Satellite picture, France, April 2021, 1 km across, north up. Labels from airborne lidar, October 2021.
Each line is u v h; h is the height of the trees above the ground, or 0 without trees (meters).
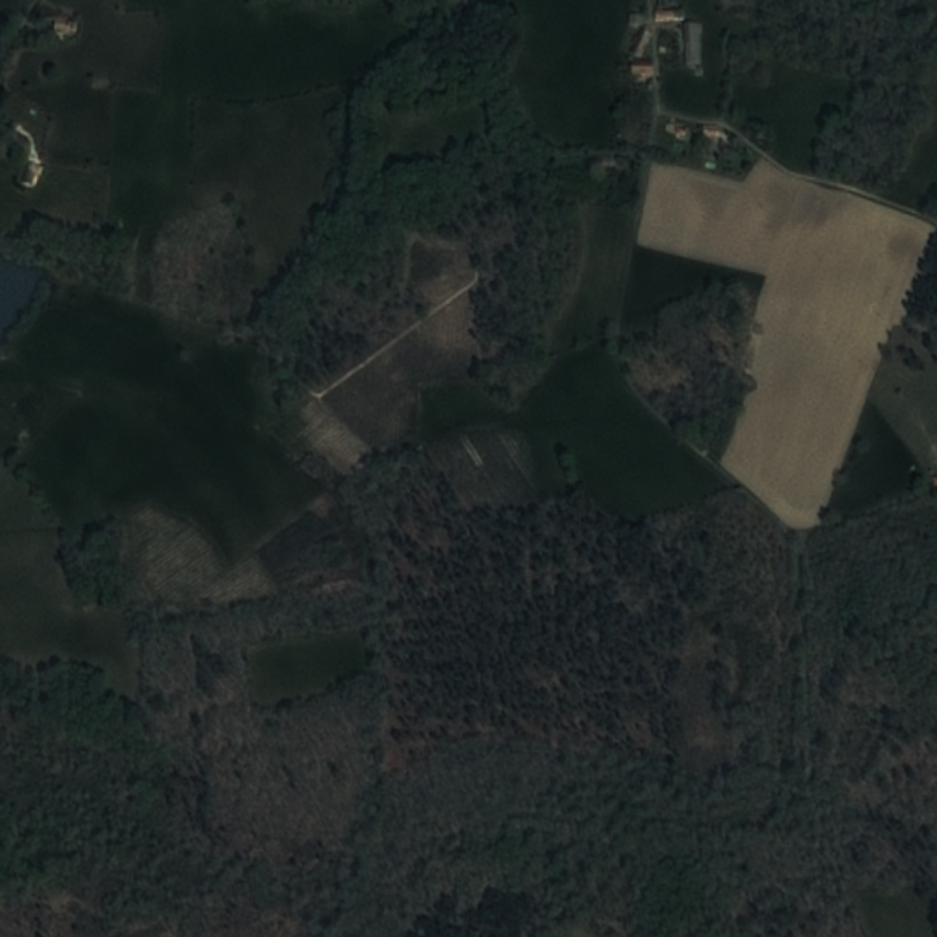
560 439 0
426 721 20
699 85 0
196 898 8
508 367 21
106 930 7
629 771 17
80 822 10
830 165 14
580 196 8
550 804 17
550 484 0
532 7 0
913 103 18
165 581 0
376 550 19
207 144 0
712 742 0
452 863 20
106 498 0
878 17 18
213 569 0
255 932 8
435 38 28
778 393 0
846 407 0
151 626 18
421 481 15
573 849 13
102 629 0
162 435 0
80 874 6
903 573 6
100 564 15
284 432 0
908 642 17
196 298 0
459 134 0
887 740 17
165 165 0
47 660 0
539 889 10
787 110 0
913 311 15
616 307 0
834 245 0
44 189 0
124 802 5
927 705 24
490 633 17
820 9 20
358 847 20
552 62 0
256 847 7
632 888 17
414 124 0
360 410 0
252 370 0
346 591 7
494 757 17
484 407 0
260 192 0
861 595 8
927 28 30
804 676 14
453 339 0
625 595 7
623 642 13
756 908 8
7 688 20
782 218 0
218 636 19
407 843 18
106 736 21
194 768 14
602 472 0
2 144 18
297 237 0
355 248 25
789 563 13
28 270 0
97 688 20
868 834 11
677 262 0
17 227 0
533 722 18
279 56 0
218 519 0
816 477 0
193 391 0
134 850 11
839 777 13
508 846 18
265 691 0
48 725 23
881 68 17
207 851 6
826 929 23
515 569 21
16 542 0
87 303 0
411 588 15
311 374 21
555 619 18
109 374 0
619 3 0
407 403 0
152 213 0
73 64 0
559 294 7
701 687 0
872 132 23
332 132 8
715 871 17
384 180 18
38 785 7
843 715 15
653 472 0
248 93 0
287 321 27
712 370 11
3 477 0
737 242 0
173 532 0
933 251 14
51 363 0
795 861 15
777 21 20
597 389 0
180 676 16
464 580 22
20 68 0
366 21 0
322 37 0
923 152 0
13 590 0
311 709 13
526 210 28
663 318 11
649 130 8
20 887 20
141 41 0
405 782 15
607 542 16
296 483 0
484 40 30
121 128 0
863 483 0
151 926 8
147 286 0
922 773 13
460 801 16
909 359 13
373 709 22
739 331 21
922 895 11
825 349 0
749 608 8
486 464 0
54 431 0
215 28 0
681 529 5
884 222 0
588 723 8
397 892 11
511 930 11
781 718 16
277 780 17
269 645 10
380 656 11
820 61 21
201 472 0
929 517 6
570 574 18
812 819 17
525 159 18
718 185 0
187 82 0
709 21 0
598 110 0
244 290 0
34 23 15
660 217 0
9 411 0
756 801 16
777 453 0
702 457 0
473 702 19
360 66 0
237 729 19
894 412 0
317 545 10
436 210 24
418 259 0
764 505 0
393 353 0
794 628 11
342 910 17
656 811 14
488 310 22
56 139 0
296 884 6
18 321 0
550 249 14
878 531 9
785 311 0
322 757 18
